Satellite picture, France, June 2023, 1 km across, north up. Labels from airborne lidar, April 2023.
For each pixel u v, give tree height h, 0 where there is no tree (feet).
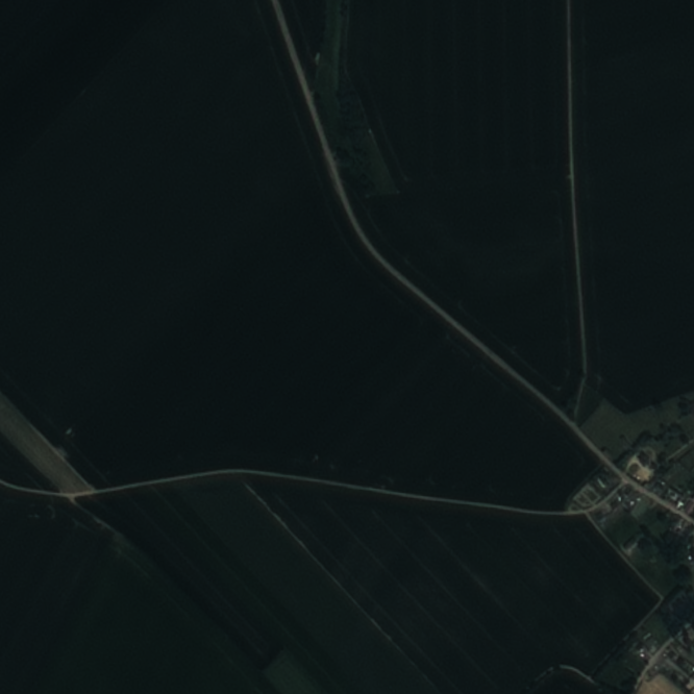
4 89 0
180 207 0
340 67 24
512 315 0
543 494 0
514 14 0
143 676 0
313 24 0
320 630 0
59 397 0
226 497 0
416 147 0
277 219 0
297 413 0
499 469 0
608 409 0
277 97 0
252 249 0
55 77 0
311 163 0
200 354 0
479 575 0
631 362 0
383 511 0
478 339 0
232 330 0
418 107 0
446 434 0
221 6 0
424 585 0
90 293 0
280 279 0
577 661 0
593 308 0
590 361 0
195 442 0
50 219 0
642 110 0
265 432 0
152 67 0
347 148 0
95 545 0
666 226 0
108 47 0
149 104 0
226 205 0
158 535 0
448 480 0
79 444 0
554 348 0
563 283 0
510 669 0
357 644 0
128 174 0
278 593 0
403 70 0
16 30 0
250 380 0
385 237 0
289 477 0
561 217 0
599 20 0
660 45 0
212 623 0
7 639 0
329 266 0
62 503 0
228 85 0
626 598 0
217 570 0
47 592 0
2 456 0
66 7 0
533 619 0
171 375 0
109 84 0
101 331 0
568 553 0
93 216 0
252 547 0
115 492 0
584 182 0
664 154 0
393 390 0
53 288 0
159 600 0
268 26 0
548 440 0
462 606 0
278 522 0
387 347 0
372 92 0
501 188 0
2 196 0
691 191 0
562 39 0
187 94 0
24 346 0
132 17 0
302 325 0
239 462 0
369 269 0
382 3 0
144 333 0
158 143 0
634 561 0
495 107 0
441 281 0
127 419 0
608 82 0
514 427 0
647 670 0
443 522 0
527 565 0
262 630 0
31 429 0
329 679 0
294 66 0
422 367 0
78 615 0
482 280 0
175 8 0
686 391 0
